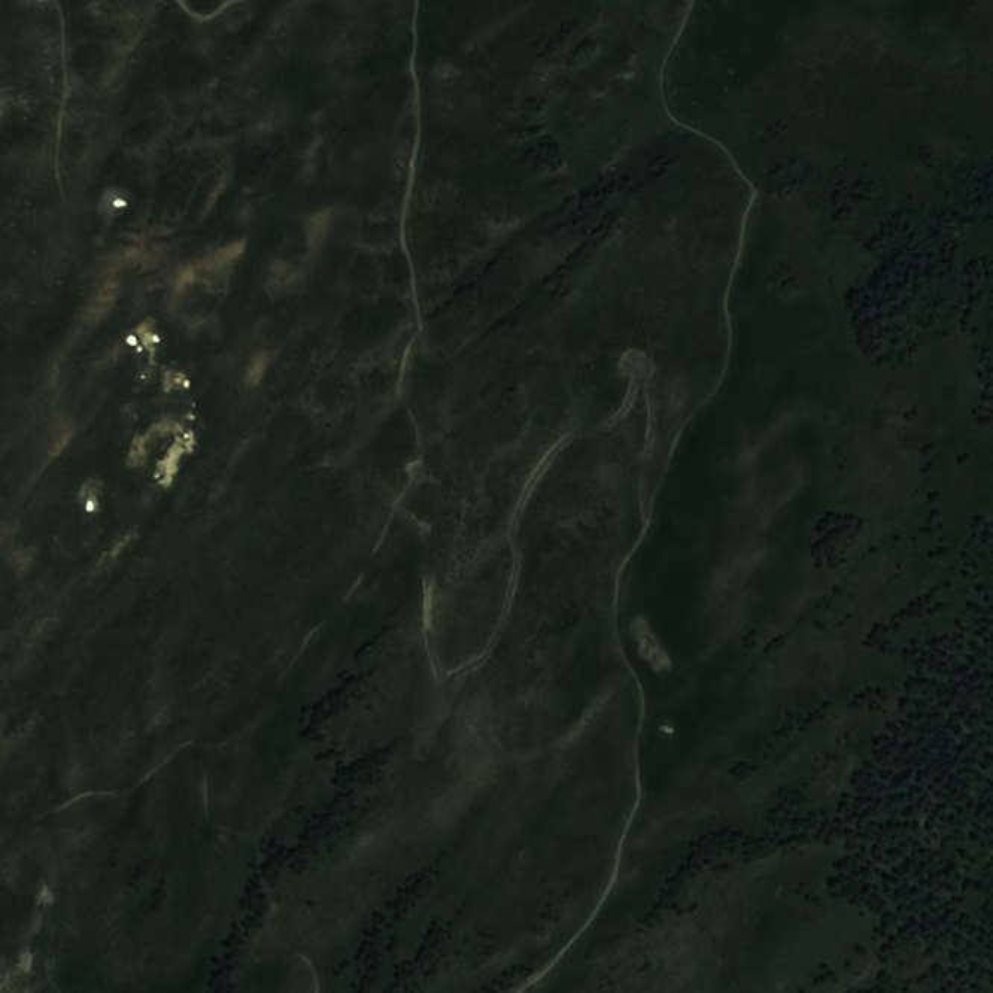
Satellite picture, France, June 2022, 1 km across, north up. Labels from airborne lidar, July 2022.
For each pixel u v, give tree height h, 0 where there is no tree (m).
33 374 0
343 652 0
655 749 0
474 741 0
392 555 0
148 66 0
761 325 0
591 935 0
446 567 0
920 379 0
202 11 0
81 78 0
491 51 0
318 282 0
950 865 11
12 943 0
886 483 0
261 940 0
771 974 0
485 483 0
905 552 0
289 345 0
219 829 0
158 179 0
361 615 0
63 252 0
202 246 0
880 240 7
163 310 0
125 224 0
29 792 0
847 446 0
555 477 0
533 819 0
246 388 0
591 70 0
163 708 0
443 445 0
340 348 0
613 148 0
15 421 0
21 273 0
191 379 0
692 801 0
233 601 0
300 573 0
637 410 0
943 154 0
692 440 0
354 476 0
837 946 0
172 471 0
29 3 0
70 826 0
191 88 0
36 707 0
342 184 0
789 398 0
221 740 0
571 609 0
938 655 11
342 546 0
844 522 9
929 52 0
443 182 0
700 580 0
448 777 0
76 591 0
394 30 0
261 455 0
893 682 0
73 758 0
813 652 0
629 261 0
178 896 0
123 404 0
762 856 14
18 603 0
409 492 0
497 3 0
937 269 13
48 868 0
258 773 0
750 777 9
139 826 0
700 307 0
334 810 10
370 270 0
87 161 0
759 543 0
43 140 0
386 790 0
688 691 0
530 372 0
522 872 0
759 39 0
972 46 0
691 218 0
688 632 0
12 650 0
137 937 0
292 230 0
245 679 0
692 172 0
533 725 0
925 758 12
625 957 0
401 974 11
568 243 0
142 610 0
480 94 0
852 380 0
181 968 0
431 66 0
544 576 0
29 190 0
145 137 0
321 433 0
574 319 0
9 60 0
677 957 0
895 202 0
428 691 0
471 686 0
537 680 0
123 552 0
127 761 0
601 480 0
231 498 0
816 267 0
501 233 0
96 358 0
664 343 0
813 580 0
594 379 0
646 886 0
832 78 0
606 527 0
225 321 0
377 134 0
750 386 0
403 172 0
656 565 0
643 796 0
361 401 0
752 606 0
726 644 0
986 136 0
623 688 0
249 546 0
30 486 0
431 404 0
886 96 0
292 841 0
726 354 0
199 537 0
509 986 6
